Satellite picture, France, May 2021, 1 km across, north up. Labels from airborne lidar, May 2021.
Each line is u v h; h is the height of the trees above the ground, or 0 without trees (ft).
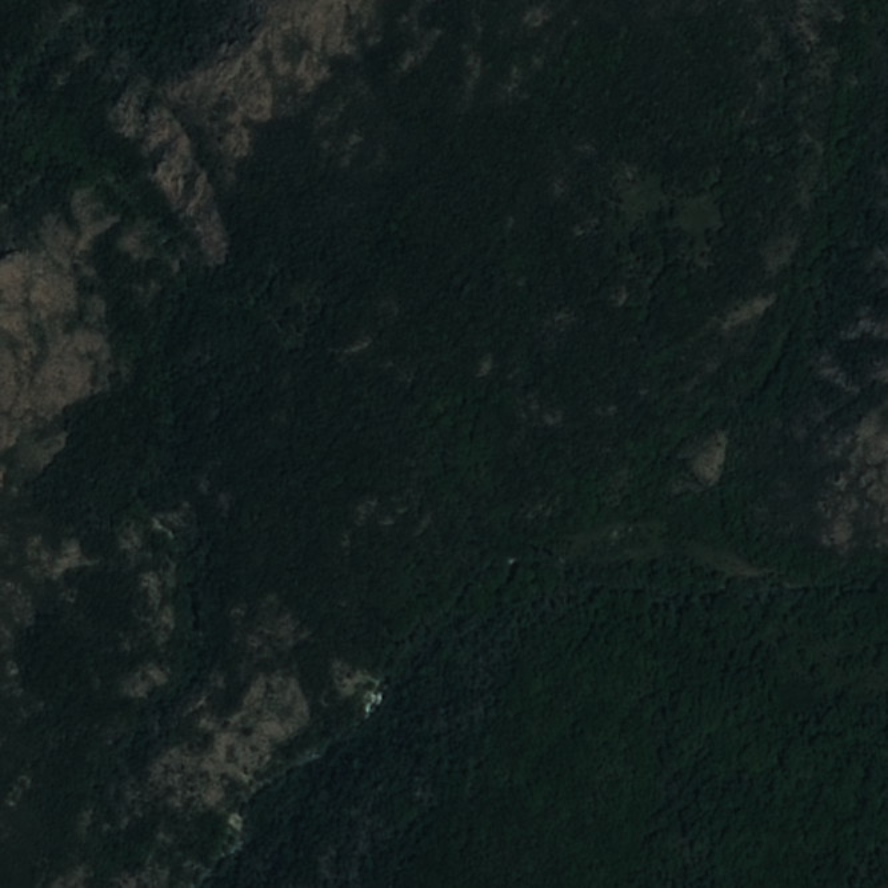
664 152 28
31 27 23
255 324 30
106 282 19
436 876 57
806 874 43
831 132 34
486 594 58
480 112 20
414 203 42
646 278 30
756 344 31
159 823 25
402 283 20
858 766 77
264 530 22
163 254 21
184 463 20
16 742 20
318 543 49
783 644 41
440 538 27
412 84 24
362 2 0
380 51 20
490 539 50
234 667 28
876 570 65
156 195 20
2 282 0
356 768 20
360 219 32
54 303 0
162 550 59
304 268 32
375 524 43
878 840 31
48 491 40
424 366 44
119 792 26
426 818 34
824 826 67
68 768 56
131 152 49
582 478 34
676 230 22
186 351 26
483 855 31
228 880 28
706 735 36
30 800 31
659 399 38
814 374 21
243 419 32
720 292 48
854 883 37
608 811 41
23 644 37
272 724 0
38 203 24
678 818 32
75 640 53
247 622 24
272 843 32
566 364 52
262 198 24
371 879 28
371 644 66
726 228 37
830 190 27
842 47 25
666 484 33
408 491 32
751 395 21
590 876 42
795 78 23
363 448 45
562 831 42
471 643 23
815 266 65
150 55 34
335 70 25
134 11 50
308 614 44
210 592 22
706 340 22
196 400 30
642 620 85
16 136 29
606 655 58
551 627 31
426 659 20
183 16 36
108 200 28
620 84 32
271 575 40
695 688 46
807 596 62
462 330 59
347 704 48
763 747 58
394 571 61
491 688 20
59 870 18
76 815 29
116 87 25
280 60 0
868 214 37
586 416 34
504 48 22
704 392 31
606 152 34
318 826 23
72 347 0
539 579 47
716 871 41
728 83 25
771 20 20
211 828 30
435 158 41
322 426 32
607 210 48
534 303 37
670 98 21
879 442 0
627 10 19
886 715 26
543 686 32
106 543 34
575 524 19
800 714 40
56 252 0
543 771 60
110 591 39
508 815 57
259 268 29
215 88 0
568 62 22
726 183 39
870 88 24
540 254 28
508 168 38
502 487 38
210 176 30
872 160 23
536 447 24
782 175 31
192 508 20
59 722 56
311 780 31
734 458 25
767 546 31
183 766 22
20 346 0
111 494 31
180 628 47
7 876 17
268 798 46
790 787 42
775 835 68
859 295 31
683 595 34
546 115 32
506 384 37
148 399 49
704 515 19
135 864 24
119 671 32
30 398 0
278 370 31
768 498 26
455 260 18
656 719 63
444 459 61
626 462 27
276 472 52
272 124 24
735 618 54
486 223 45
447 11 28
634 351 50
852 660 45
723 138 29
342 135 25
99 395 33
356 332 24
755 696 79
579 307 24
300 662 25
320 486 52
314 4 0
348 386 47
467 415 52
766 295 28
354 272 27
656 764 27
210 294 50
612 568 21
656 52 23
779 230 27
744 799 49
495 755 52
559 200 23
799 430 0
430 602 65
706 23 30
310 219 24
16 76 28
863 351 25
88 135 43
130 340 41
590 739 52
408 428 35
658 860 25
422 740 35
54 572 0
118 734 41
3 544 0
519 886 36
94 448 46
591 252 28
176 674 43
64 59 21
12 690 22
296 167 22
